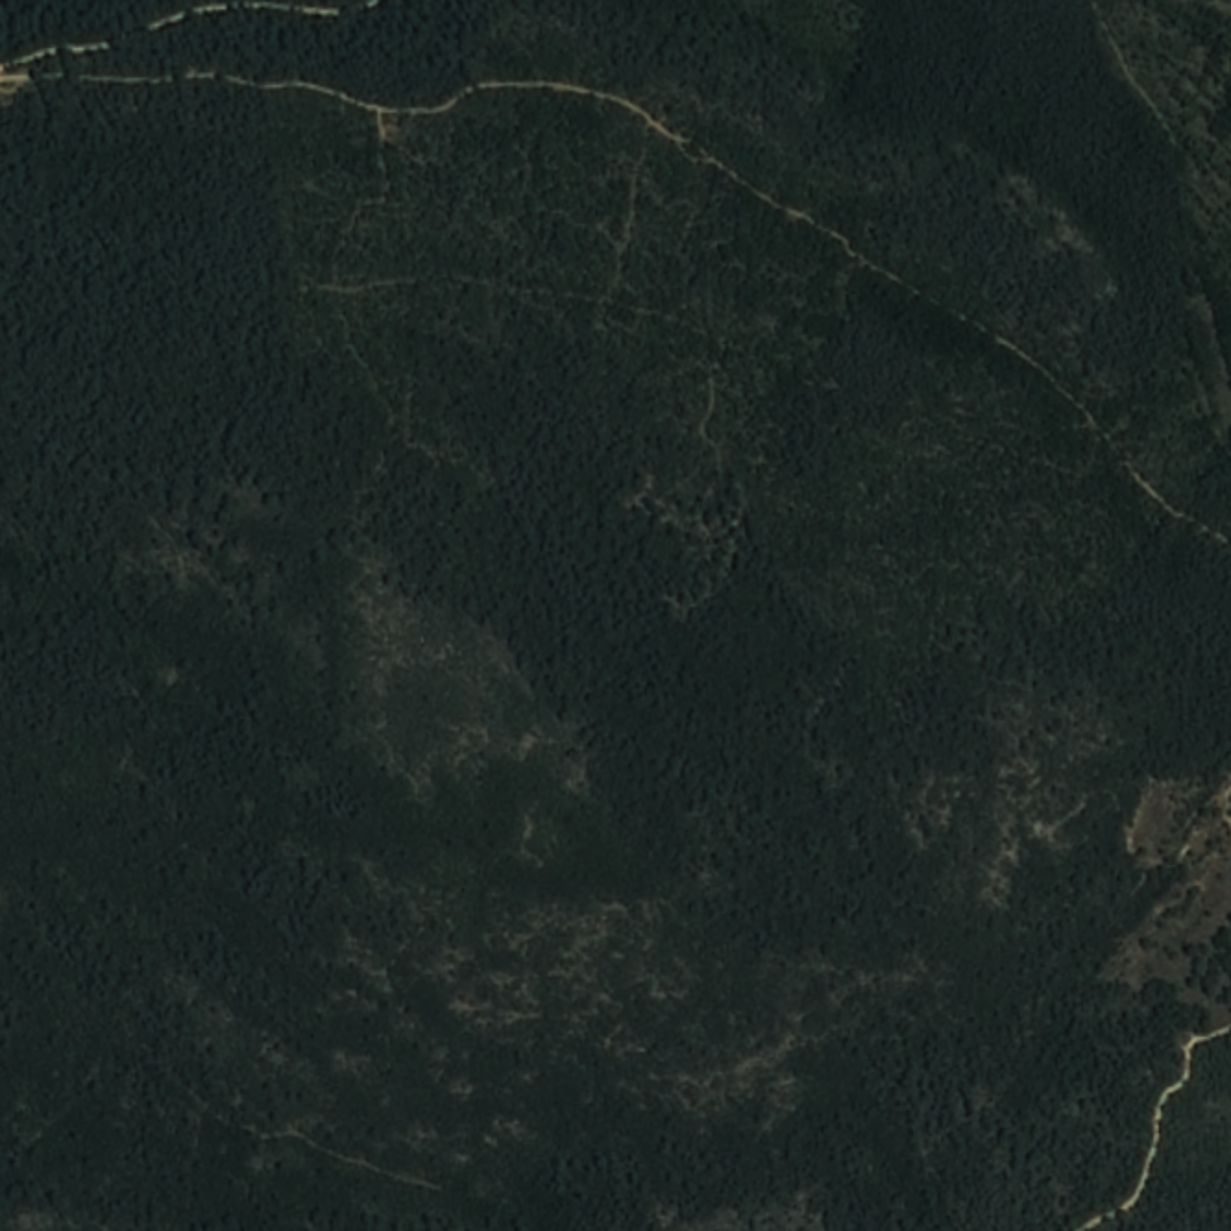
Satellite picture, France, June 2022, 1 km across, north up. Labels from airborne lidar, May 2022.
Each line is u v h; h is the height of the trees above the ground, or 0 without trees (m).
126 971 5
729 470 6
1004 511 6
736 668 6
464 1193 6
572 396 13
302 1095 12
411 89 14
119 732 6
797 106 15
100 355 8
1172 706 6
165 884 7
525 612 10
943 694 11
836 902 7
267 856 6
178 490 16
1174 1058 8
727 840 5
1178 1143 7
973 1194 14
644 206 10
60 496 10
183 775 13
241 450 17
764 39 9
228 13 6
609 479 8
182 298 13
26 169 14
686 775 13
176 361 15
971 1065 13
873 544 7
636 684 12
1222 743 13
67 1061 6
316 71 15
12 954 9
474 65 9
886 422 15
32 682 6
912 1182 7
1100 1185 9
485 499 11
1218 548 8
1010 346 9
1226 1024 0
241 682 7
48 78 12
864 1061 7
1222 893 0
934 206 14
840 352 15
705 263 11
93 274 14
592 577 18
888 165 12
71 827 5
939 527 7
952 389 7
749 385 9
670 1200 5
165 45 15
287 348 12
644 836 6
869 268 8
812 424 15
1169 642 6
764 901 6
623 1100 6
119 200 15
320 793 10
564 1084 6
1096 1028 6
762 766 8
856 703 7
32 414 14
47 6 13
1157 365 8
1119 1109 10
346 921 11
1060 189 10
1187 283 17
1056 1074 13
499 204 12
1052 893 11
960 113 16
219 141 7
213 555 12
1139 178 19
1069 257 10
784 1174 6
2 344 7
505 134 11
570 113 7
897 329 6
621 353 7
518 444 6
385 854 10
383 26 21
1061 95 17
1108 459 7
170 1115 6
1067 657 6
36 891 11
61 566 15
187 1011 10
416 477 7
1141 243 13
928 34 16
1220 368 0
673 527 5
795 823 8
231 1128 5
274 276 14
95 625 14
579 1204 6
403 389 6
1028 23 17
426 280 7
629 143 6
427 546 7
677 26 7
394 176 13
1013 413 6
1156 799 0
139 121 7
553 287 9
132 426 7
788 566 6
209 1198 5
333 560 6
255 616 11
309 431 6
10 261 6
